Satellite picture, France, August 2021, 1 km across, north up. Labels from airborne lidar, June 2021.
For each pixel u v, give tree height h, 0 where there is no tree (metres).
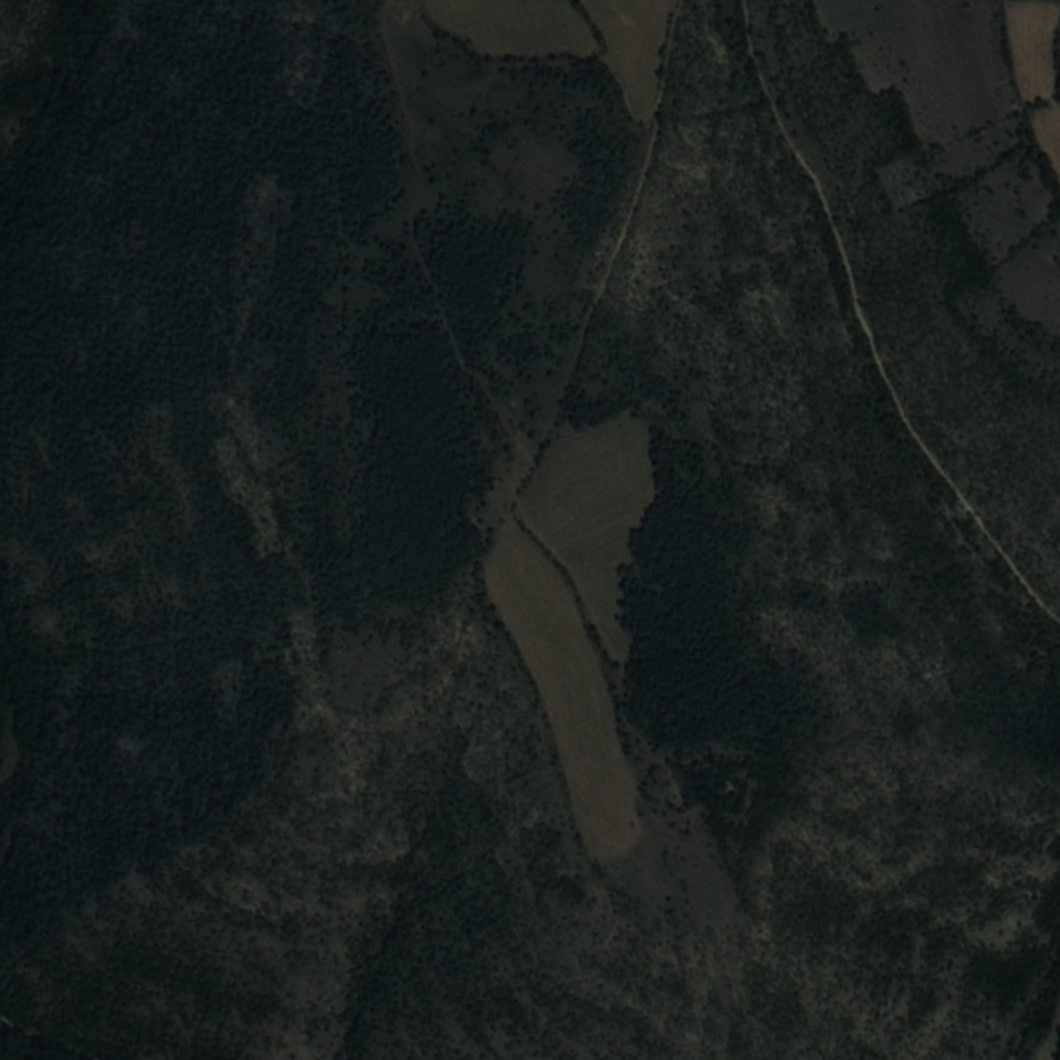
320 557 7
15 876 8
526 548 0
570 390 6
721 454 6
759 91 7
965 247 7
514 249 8
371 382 9
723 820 7
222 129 7
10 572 11
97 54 8
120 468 9
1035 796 6
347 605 6
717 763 7
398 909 7
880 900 9
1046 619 7
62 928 8
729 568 7
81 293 5
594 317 6
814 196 6
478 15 0
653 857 0
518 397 0
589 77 6
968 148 0
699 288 8
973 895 6
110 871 6
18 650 9
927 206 6
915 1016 6
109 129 8
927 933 7
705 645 6
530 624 0
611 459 0
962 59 0
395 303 6
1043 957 10
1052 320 0
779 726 7
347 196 7
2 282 11
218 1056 9
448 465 11
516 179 0
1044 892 7
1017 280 0
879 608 8
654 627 10
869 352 7
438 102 0
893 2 0
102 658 5
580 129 6
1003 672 7
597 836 0
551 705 0
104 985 9
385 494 8
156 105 6
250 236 6
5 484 6
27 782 9
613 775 0
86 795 6
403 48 0
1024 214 6
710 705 9
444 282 8
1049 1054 0
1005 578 6
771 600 7
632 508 0
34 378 7
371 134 9
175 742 6
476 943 6
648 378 6
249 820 6
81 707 7
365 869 7
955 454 6
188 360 6
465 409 9
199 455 6
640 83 0
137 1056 6
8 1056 18
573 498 0
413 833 6
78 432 7
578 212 7
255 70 6
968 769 0
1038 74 0
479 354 6
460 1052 6
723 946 0
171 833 6
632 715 6
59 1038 12
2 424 8
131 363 5
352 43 7
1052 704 6
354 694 0
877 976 5
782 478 6
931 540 6
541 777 0
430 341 9
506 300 9
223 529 6
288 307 6
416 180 0
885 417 10
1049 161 9
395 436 12
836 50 6
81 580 8
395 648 0
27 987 8
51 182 8
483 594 6
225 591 7
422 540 8
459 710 0
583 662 0
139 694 6
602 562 0
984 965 8
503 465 0
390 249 8
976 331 7
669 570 11
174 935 6
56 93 12
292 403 6
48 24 6
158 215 6
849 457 7
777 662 7
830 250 9
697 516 7
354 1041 8
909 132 6
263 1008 8
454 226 9
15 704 11
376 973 8
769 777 6
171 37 6
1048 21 0
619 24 0
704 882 0
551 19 0
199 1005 7
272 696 5
